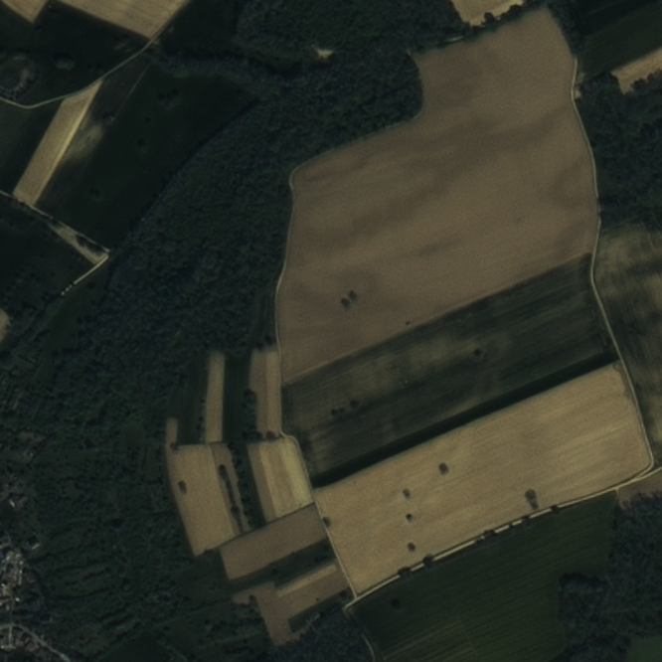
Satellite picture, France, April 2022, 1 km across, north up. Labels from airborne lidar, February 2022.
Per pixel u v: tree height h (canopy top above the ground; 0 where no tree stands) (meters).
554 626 0
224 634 12
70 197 0
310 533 0
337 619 19
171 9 0
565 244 0
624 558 23
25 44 0
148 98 0
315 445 0
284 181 11
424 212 0
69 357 12
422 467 0
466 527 0
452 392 0
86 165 0
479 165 0
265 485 0
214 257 33
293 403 0
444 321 0
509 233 0
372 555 0
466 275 0
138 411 14
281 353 0
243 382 0
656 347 0
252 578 0
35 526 0
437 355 0
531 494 9
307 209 0
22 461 0
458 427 0
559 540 0
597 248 0
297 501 0
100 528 8
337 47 16
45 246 0
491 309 0
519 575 0
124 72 0
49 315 9
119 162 0
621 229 0
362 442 0
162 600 10
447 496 0
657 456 0
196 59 23
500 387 0
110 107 0
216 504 0
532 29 0
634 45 0
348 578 0
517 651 0
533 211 0
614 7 0
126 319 26
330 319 0
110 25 0
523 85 0
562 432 0
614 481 0
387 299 0
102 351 16
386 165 0
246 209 13
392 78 25
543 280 0
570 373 0
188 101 0
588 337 0
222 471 10
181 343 26
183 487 11
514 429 0
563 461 0
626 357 0
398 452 0
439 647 0
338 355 0
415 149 0
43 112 0
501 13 0
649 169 24
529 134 0
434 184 0
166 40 0
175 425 0
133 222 0
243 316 25
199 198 13
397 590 0
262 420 0
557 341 0
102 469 8
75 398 13
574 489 0
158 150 0
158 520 8
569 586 19
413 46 12
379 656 0
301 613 0
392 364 0
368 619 0
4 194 0
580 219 0
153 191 0
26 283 0
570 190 0
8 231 0
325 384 0
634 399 0
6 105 0
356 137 23
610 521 0
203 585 0
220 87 0
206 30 0
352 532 0
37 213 6
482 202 0
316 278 0
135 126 0
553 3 12
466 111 0
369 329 0
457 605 0
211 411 0
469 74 0
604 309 0
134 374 26
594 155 0
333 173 0
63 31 0
